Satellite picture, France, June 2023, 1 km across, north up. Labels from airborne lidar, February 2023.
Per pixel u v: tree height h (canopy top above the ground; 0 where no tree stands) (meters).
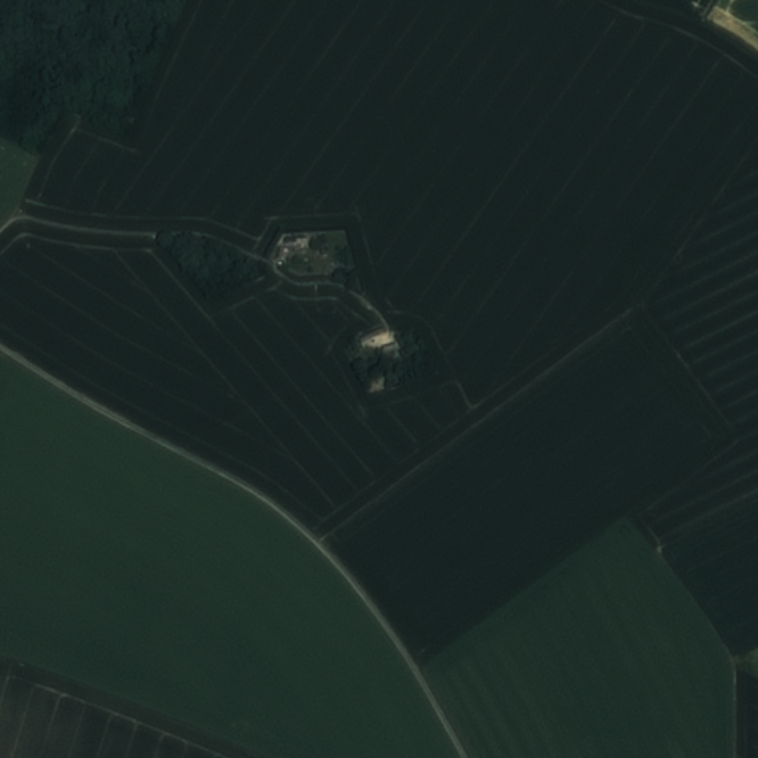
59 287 0
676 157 0
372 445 0
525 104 0
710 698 0
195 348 0
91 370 0
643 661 0
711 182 0
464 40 0
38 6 21
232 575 0
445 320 0
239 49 0
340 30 0
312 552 0
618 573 0
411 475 0
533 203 0
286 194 0
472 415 0
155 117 0
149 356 0
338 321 0
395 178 0
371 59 0
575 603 0
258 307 0
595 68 0
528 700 0
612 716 0
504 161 0
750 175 0
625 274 0
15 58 23
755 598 0
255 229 0
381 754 0
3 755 0
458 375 0
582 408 0
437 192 0
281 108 0
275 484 0
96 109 17
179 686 0
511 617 0
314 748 0
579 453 0
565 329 0
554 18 0
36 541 0
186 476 0
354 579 0
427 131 0
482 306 0
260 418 0
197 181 0
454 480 0
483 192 0
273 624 0
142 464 0
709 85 0
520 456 0
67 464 0
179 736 0
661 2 0
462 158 0
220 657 0
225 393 0
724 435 0
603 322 0
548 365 0
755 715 0
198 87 0
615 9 0
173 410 0
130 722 0
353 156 0
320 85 0
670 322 0
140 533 0
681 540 0
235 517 0
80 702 0
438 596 0
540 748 0
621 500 0
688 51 0
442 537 0
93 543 0
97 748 0
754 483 0
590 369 0
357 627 0
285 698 0
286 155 0
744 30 0
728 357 0
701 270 0
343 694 0
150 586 0
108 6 23
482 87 0
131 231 0
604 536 0
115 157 0
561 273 0
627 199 0
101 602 0
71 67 18
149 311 0
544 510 0
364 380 20
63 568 0
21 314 0
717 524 0
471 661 0
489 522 0
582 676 0
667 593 0
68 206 0
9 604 0
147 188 0
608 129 0
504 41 0
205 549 0
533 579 0
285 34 0
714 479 0
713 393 0
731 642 0
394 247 0
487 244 0
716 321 0
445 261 0
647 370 0
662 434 0
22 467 0
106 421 0
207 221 0
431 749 0
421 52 0
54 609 0
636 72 0
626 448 0
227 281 18
